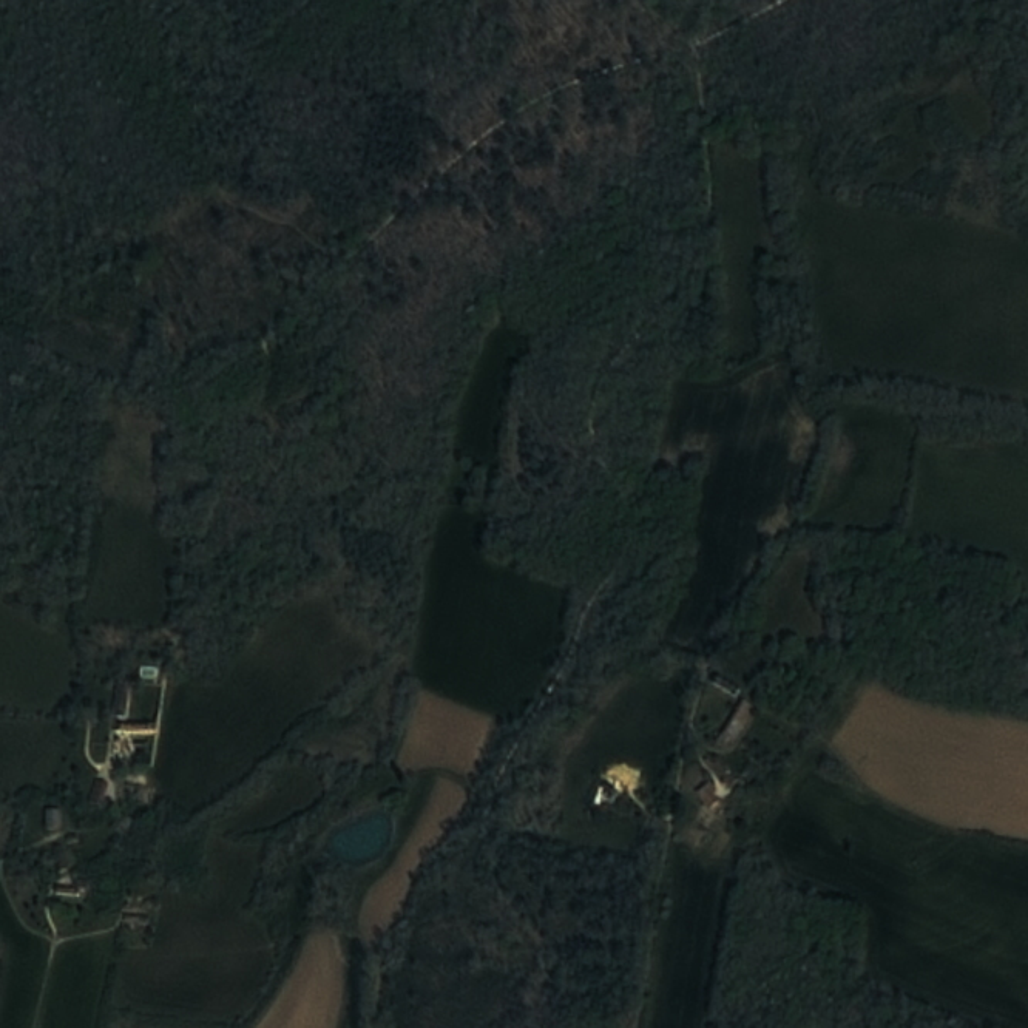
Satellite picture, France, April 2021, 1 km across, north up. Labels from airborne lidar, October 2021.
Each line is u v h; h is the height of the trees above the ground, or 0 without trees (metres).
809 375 15
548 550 21
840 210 0
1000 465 0
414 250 19
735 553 0
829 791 0
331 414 25
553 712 17
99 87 20
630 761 0
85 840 0
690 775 0
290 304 21
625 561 21
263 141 17
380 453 19
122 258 20
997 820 0
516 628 0
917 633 25
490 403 0
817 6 11
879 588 22
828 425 16
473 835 18
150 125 18
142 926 6
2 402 21
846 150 15
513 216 24
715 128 19
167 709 0
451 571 0
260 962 0
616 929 17
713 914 0
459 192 11
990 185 8
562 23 18
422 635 0
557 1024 18
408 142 16
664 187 24
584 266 26
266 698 0
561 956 19
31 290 14
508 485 15
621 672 7
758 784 8
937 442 17
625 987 20
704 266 24
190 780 0
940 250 0
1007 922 0
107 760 0
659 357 24
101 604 0
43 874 15
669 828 8
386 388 23
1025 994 0
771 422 0
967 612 25
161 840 15
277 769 12
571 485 11
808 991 24
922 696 23
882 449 0
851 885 0
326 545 17
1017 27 20
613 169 21
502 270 15
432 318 18
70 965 0
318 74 13
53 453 19
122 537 0
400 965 16
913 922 0
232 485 21
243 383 20
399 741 8
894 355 0
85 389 21
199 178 20
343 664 0
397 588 15
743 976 23
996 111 9
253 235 16
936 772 0
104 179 23
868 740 0
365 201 12
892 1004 17
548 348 15
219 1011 0
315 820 18
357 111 14
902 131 0
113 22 21
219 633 26
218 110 18
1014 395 0
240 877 0
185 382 22
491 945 13
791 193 21
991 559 14
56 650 0
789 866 0
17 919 0
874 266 0
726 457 0
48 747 0
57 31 22
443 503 15
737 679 0
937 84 7
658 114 14
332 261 14
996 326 0
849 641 20
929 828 0
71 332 10
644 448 22
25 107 23
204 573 16
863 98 18
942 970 0
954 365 0
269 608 26
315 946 0
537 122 18
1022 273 0
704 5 25
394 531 20
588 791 0
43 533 17
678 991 0
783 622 0
